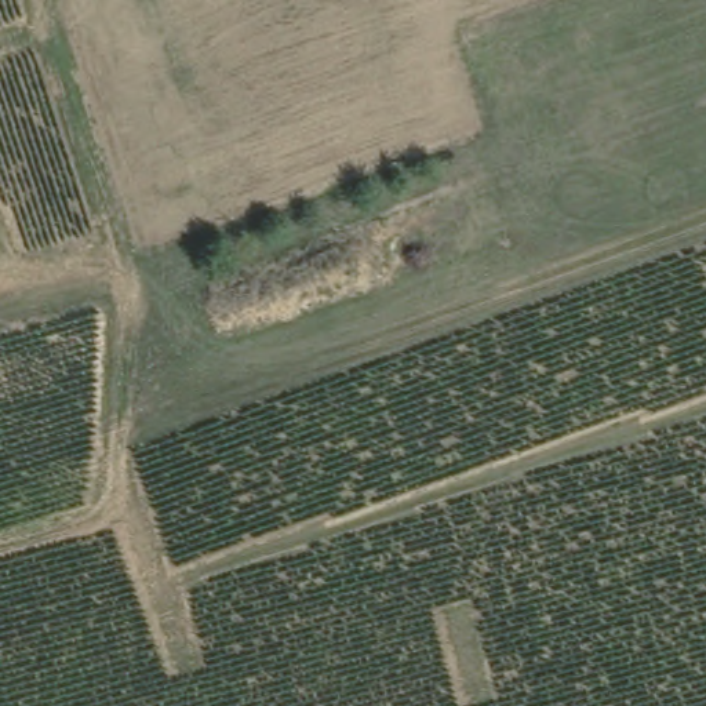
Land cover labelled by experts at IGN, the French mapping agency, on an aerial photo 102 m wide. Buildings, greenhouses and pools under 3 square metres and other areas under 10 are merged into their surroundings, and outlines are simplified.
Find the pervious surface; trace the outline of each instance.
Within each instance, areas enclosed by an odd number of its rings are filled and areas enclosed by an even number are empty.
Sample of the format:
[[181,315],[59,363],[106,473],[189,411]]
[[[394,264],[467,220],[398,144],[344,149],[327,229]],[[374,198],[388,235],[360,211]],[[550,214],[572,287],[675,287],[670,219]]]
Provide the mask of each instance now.
[[408,243],[416,226],[433,218],[433,210],[441,207],[444,196],[455,199],[463,190],[469,190],[463,179],[441,185],[430,193],[403,199],[394,207],[389,207],[386,223],[370,221],[356,223],[345,232],[331,232],[328,237],[317,237],[306,245],[292,243],[281,251],[270,251],[259,262],[240,268],[234,276],[223,281],[207,284],[201,292],[199,303],[207,303],[212,325],[218,331],[234,331],[245,325],[254,328],[262,323],[292,320],[295,314],[312,306],[336,303],[347,295],[383,287],[397,276],[403,265],[400,245]]

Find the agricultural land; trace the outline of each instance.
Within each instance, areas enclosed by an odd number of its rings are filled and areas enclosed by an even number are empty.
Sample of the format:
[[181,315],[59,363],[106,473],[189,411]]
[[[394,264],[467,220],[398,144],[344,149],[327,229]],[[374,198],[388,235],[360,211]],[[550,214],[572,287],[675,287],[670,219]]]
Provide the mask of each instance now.
[[74,55],[74,80],[83,94],[83,108],[97,141],[97,152],[110,171],[110,185],[124,207],[132,243],[141,248],[177,240],[190,221],[223,226],[229,221],[243,218],[251,204],[287,207],[290,199],[309,199],[325,193],[339,179],[339,171],[347,165],[375,171],[381,157],[400,154],[405,149],[436,152],[463,143],[480,130],[480,110],[474,105],[469,74],[461,63],[458,50],[491,33],[499,14],[521,8],[532,0],[61,0],[63,25]]

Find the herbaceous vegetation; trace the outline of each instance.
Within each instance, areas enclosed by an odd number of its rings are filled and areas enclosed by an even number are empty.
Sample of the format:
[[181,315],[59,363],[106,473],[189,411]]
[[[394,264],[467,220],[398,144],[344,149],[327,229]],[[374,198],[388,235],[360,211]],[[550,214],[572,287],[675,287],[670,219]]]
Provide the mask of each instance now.
[[[684,416],[706,405],[706,400],[689,397],[659,411],[621,411],[618,416],[609,416],[598,425],[571,430],[538,447],[516,450],[505,458],[480,463],[474,469],[427,485],[408,488],[403,494],[364,505],[342,516],[312,516],[290,527],[270,530],[265,535],[243,535],[237,543],[226,549],[199,554],[179,565],[171,563],[165,552],[157,527],[157,513],[149,502],[135,461],[130,458],[130,444],[135,436],[146,441],[207,416],[237,416],[240,405],[245,403],[265,403],[265,397],[287,392],[292,386],[303,386],[334,372],[347,372],[356,364],[400,353],[408,345],[441,336],[455,328],[469,328],[485,320],[488,314],[557,295],[585,281],[615,276],[626,268],[654,262],[667,254],[678,256],[684,248],[706,248],[706,0],[532,0],[521,8],[499,14],[491,33],[458,50],[461,63],[469,74],[474,105],[480,110],[480,130],[463,143],[436,152],[405,149],[400,154],[381,157],[375,171],[347,165],[339,171],[339,179],[325,193],[309,199],[290,199],[287,207],[251,204],[243,218],[229,221],[223,226],[190,221],[177,240],[141,248],[132,243],[124,207],[110,185],[110,171],[97,152],[97,141],[83,108],[83,94],[74,80],[74,55],[63,25],[61,0],[0,0],[0,58],[17,55],[25,44],[33,50],[36,66],[41,69],[44,85],[50,91],[55,127],[61,132],[58,138],[63,143],[80,193],[77,199],[69,199],[69,210],[88,218],[88,229],[77,237],[61,237],[39,248],[25,248],[14,210],[6,201],[0,201],[0,334],[22,331],[33,323],[50,323],[72,309],[94,309],[97,314],[91,455],[83,505],[0,530],[0,557],[110,530],[127,565],[127,576],[135,587],[160,665],[168,676],[177,676],[185,670],[204,667],[201,637],[196,632],[190,609],[190,587],[207,582],[210,576],[287,554],[301,554],[309,549],[309,541],[331,543],[331,538],[339,530],[359,532],[375,524],[416,516],[425,507],[441,507],[455,496],[474,494],[496,483],[518,480],[521,474],[538,466],[654,438],[656,422]],[[359,204],[361,190],[378,182],[394,182],[397,171],[405,165],[411,168],[441,163],[441,185],[463,179],[469,190],[463,190],[455,199],[444,196],[441,207],[433,210],[433,218],[416,226],[408,243],[400,245],[403,265],[397,276],[383,287],[347,295],[336,303],[312,306],[295,314],[292,320],[262,323],[254,328],[245,325],[234,331],[218,331],[212,325],[207,303],[199,303],[201,292],[193,287],[196,268],[215,254],[215,245],[221,240],[234,240],[248,232],[262,234],[273,226],[292,223],[292,243],[306,245],[317,237],[328,237],[331,232],[345,232],[356,223],[370,221],[367,210]]]

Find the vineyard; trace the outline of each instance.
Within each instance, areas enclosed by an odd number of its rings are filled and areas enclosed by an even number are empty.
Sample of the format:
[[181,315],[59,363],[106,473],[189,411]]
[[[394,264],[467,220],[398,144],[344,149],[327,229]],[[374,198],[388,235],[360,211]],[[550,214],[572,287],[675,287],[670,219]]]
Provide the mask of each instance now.
[[97,314],[94,309],[72,309],[50,323],[33,323],[22,331],[0,334],[0,530],[83,505],[91,455]]
[[127,565],[110,530],[0,557],[0,706],[706,706],[706,405],[684,416],[656,422],[654,438],[538,466],[521,474],[518,480],[496,483],[474,494],[455,496],[441,507],[425,507],[416,516],[375,524],[359,532],[339,530],[331,538],[331,543],[309,541],[309,549],[301,554],[287,554],[210,576],[207,582],[190,587],[190,609],[196,632],[201,637],[204,667],[185,670],[177,676],[168,676],[160,665],[135,587],[127,576]]
[[516,450],[538,447],[571,430],[598,425],[609,416],[618,416],[621,411],[659,411],[689,397],[706,400],[706,248],[684,248],[678,256],[667,254],[654,262],[626,268],[615,276],[585,281],[557,295],[488,314],[485,320],[469,328],[455,328],[441,336],[408,345],[400,353],[356,364],[347,372],[334,372],[303,386],[292,386],[287,392],[265,397],[265,403],[245,403],[240,405],[237,416],[207,416],[146,441],[135,436],[130,444],[130,458],[135,461],[149,502],[157,513],[157,527],[165,552],[171,563],[179,565],[199,554],[226,549],[237,543],[243,535],[265,535],[270,530],[290,527],[312,516],[342,516],[364,505],[403,494],[408,488],[427,485],[474,469],[480,463],[505,458]]
[[0,58],[0,201],[6,201],[14,210],[25,248],[39,248],[61,237],[77,237],[88,229],[88,218],[69,210],[69,199],[77,199],[80,193],[63,143],[58,138],[61,132],[55,127],[50,91],[44,85],[41,69],[36,66],[33,50],[25,44],[17,55]]

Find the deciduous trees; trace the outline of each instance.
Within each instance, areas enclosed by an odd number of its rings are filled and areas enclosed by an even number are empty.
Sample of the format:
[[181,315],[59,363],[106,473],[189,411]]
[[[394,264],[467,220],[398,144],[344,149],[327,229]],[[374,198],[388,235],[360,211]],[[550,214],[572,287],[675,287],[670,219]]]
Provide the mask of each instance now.
[[281,251],[292,243],[292,223],[273,226],[262,234],[248,232],[234,240],[221,240],[215,245],[215,254],[196,268],[193,287],[201,292],[207,284],[223,281],[234,276],[240,268],[259,262],[270,251]]
[[441,185],[441,163],[411,168],[405,165],[397,171],[394,182],[378,182],[361,190],[359,204],[367,210],[370,221],[386,223],[389,207],[394,207],[403,199],[430,193]]

